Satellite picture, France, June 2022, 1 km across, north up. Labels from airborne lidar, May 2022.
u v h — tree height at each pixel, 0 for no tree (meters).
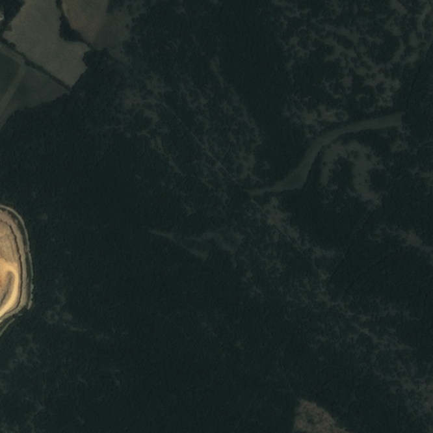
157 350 10
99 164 12
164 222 9
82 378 8
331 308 9
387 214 12
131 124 9
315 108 9
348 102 7
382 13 7
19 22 0
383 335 8
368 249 13
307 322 8
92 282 8
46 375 8
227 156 6
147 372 15
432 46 11
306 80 9
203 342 8
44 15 0
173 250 10
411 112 16
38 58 0
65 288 7
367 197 0
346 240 13
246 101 8
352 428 9
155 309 9
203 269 9
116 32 0
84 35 0
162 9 9
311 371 10
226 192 6
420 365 8
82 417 9
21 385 6
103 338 6
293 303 7
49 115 8
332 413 7
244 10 13
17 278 0
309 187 13
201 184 11
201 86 9
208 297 8
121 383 10
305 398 10
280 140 10
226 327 11
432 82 8
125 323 10
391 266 15
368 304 9
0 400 7
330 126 8
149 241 9
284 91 11
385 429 13
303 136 8
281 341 8
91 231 9
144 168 10
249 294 7
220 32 7
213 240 10
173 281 11
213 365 11
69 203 10
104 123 9
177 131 7
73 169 12
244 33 11
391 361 8
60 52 0
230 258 6
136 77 6
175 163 6
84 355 11
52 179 12
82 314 9
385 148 11
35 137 5
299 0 7
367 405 11
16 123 6
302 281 9
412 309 11
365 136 13
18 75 0
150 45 9
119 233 11
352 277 7
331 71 9
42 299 8
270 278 7
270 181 9
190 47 6
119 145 9
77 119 13
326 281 7
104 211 11
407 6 7
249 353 7
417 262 13
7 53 0
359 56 9
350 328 9
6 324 0
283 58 10
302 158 6
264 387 9
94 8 0
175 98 8
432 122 10
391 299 11
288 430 6
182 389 10
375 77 8
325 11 9
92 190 13
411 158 11
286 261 8
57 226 10
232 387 8
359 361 7
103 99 7
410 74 7
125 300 12
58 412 10
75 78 0
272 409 6
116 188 12
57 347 7
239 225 6
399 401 7
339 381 9
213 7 11
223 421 13
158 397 10
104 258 10
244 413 7
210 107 6
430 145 8
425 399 7
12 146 10
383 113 7
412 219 12
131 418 11
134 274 10
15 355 8
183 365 15
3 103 0
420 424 7
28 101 0
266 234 7
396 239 9
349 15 9
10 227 0
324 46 9
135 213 8
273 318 9
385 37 9
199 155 10
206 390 7
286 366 11
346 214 9
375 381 12
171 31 6
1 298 0
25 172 10
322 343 9
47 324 7
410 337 14
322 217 11
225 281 11
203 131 7
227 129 6
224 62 8
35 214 9
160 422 15
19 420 9
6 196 6
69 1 0
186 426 11
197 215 8
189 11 6
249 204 7
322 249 6
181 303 11
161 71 8
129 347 15
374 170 7
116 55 0
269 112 10
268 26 7
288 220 7
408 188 11
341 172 8
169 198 10
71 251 8
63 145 10
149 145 7
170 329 10
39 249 12
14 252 0
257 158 8
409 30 6
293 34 9
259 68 12
